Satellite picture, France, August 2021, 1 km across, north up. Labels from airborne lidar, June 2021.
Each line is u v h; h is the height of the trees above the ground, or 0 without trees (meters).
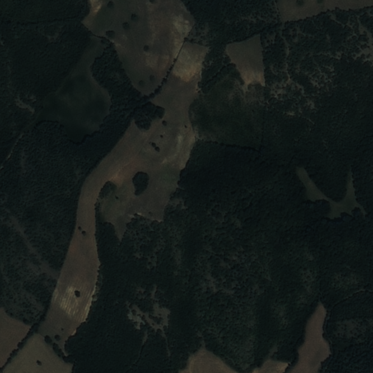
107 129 8
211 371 0
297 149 14
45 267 0
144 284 9
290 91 7
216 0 13
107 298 13
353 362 10
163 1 0
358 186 11
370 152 13
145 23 0
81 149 11
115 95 9
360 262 14
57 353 8
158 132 0
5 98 7
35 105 11
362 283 8
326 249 17
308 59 6
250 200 15
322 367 6
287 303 9
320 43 6
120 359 12
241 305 6
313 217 24
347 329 6
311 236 18
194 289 10
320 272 12
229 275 6
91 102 0
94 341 11
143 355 9
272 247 11
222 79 11
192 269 12
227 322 6
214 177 23
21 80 10
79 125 0
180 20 0
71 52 13
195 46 0
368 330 7
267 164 14
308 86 7
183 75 0
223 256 9
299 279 10
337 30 8
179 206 7
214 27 7
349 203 0
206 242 6
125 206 0
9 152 7
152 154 0
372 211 14
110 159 0
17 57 12
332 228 18
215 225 9
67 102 0
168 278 12
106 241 10
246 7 6
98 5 0
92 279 0
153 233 10
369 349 7
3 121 9
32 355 0
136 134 0
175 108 0
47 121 6
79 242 0
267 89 7
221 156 14
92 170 8
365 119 10
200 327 10
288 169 19
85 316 0
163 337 7
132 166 0
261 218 15
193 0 7
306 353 0
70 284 0
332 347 7
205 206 8
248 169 24
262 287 9
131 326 7
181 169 0
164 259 8
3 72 9
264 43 10
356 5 0
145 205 0
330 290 11
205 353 0
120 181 0
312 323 0
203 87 9
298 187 18
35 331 13
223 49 6
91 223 0
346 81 7
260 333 15
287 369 7
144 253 6
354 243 7
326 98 9
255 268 12
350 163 15
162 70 0
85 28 11
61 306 0
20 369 0
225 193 14
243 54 0
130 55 0
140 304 6
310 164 21
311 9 0
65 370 0
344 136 10
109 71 8
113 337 10
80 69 0
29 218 9
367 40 6
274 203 19
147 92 0
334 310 8
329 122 9
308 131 8
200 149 9
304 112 8
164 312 0
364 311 6
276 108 6
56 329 0
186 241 12
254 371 0
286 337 11
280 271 10
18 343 0
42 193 7
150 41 0
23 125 7
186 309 13
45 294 6
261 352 11
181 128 0
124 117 8
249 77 0
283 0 0
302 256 9
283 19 0
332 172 8
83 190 0
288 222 14
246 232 13
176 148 0
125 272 10
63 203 6
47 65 9
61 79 12
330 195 13
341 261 7
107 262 12
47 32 9
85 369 16
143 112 13
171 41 0
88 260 0
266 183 10
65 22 8
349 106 11
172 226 7
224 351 11
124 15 0
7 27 11
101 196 7
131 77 0
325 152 11
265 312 15
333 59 8
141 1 0
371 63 7
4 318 0
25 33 8
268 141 10
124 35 0
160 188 0
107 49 7
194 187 19
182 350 10
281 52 9
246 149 21
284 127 9
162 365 10
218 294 10
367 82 6
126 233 8
